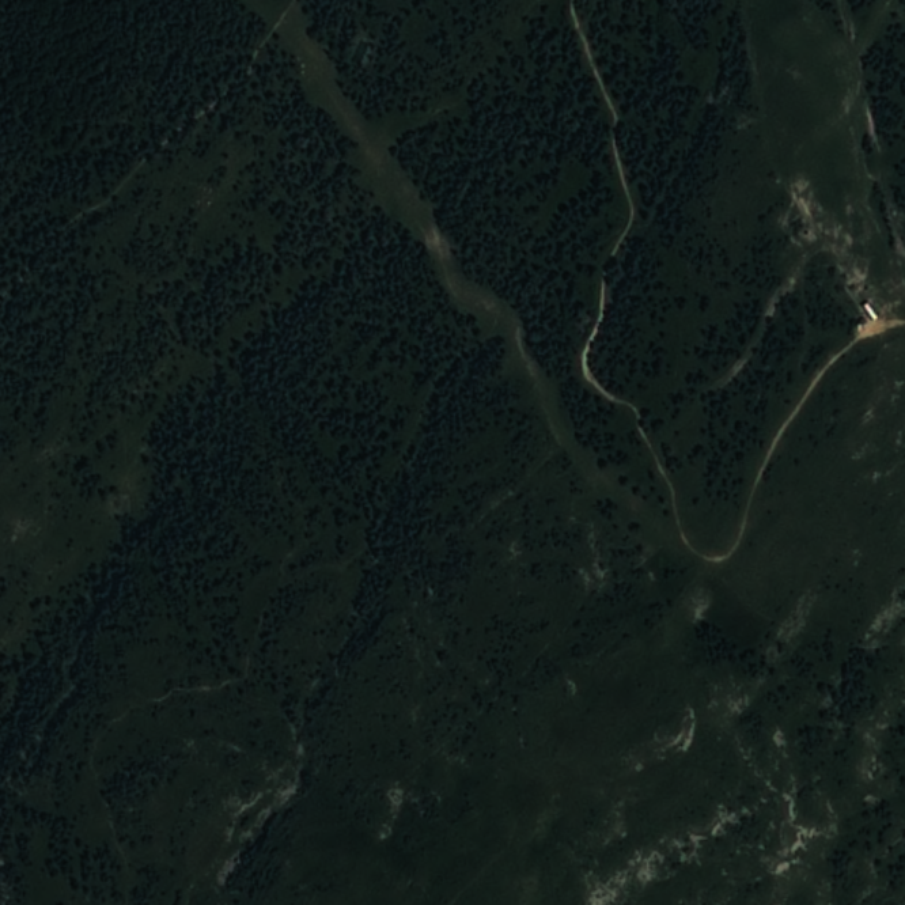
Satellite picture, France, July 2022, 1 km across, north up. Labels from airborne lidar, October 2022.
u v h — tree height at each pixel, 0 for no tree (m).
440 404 17
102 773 0
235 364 14
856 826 0
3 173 10
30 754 8
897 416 0
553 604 0
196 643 7
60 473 7
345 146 11
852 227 0
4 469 0
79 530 0
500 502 0
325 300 17
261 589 0
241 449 9
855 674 11
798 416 0
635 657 0
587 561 0
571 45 7
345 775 0
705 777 0
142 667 0
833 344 0
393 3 0
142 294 12
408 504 8
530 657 0
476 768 0
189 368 0
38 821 11
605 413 11
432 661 0
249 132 7
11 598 0
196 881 0
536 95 8
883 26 0
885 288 0
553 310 9
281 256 16
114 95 11
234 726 0
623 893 0
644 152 12
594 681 0
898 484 0
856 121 0
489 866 0
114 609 10
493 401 6
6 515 0
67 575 0
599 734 0
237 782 0
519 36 0
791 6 0
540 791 0
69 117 13
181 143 10
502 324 0
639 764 0
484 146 16
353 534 0
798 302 11
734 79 9
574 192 0
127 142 11
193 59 15
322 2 18
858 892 0
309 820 0
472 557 8
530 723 0
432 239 0
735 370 0
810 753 7
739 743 0
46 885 0
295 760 0
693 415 0
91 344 7
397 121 0
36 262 18
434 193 10
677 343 0
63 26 13
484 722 0
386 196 0
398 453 6
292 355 10
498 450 0
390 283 10
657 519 0
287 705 11
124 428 0
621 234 0
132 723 0
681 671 0
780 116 0
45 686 11
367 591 10
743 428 9
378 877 0
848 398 0
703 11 12
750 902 0
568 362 7
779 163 0
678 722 0
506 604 0
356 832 0
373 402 12
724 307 0
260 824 0
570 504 0
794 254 0
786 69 0
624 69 11
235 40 8
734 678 0
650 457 0
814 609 0
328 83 0
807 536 0
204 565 8
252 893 6
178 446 18
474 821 0
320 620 0
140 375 7
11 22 17
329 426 15
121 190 0
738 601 0
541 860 0
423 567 5
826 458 0
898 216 0
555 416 0
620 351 9
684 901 0
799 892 0
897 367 0
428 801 6
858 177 0
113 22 13
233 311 10
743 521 0
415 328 8
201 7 17
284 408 10
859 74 0
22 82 14
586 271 16
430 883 0
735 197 0
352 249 12
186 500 11
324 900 0
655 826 0
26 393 11
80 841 10
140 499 0
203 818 0
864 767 0
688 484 0
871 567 0
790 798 0
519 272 9
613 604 7
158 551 12
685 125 10
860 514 0
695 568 0
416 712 0
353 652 6
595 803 0
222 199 0
